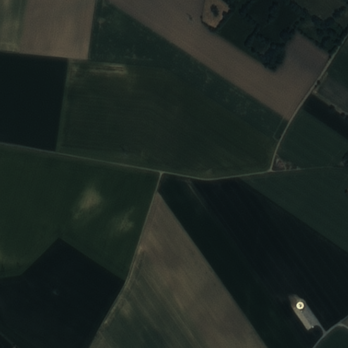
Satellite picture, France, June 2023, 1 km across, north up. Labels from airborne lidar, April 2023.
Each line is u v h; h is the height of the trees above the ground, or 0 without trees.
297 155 0
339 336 0
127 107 0
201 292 0
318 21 18
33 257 0
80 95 0
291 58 0
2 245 0
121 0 0
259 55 14
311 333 0
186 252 0
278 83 0
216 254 0
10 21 0
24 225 0
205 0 0
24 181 0
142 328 0
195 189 0
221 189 0
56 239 0
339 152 0
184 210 0
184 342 0
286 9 0
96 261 0
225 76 0
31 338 0
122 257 0
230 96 0
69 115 0
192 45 0
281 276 0
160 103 0
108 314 0
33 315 0
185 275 0
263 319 0
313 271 0
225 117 0
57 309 0
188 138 0
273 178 0
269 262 0
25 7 0
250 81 0
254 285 0
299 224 0
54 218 0
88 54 0
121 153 0
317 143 0
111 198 0
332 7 0
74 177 0
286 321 0
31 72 0
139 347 0
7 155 0
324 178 0
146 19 0
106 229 0
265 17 0
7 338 0
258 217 0
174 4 0
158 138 0
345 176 0
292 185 0
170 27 0
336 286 0
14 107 0
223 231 0
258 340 0
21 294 0
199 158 0
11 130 0
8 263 0
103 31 0
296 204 0
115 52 0
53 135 0
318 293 0
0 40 0
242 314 0
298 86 0
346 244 0
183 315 0
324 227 0
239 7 0
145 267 0
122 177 0
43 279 0
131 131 0
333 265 0
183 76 0
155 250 0
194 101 0
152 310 0
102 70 0
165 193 0
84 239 0
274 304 0
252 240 0
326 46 14
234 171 0
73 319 0
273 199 0
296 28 13
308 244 0
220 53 0
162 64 0
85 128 0
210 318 0
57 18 0
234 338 0
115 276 0
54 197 0
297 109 0
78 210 0
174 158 0
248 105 0
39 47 0
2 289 0
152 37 0
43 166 0
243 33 0
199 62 0
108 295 0
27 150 0
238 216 0
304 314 0
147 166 0
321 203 0
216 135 0
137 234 0
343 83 0
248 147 0
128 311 0
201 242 0
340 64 0
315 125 0
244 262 0
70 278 0
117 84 0
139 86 0
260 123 0
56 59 0
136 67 0
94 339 0
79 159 0
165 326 0
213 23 0
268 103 0
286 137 0
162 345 0
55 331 0
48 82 0
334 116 0
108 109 0
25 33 0
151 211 0
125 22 0
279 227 0
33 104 0
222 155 0
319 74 0
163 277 0
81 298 0
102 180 0
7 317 0
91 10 0
